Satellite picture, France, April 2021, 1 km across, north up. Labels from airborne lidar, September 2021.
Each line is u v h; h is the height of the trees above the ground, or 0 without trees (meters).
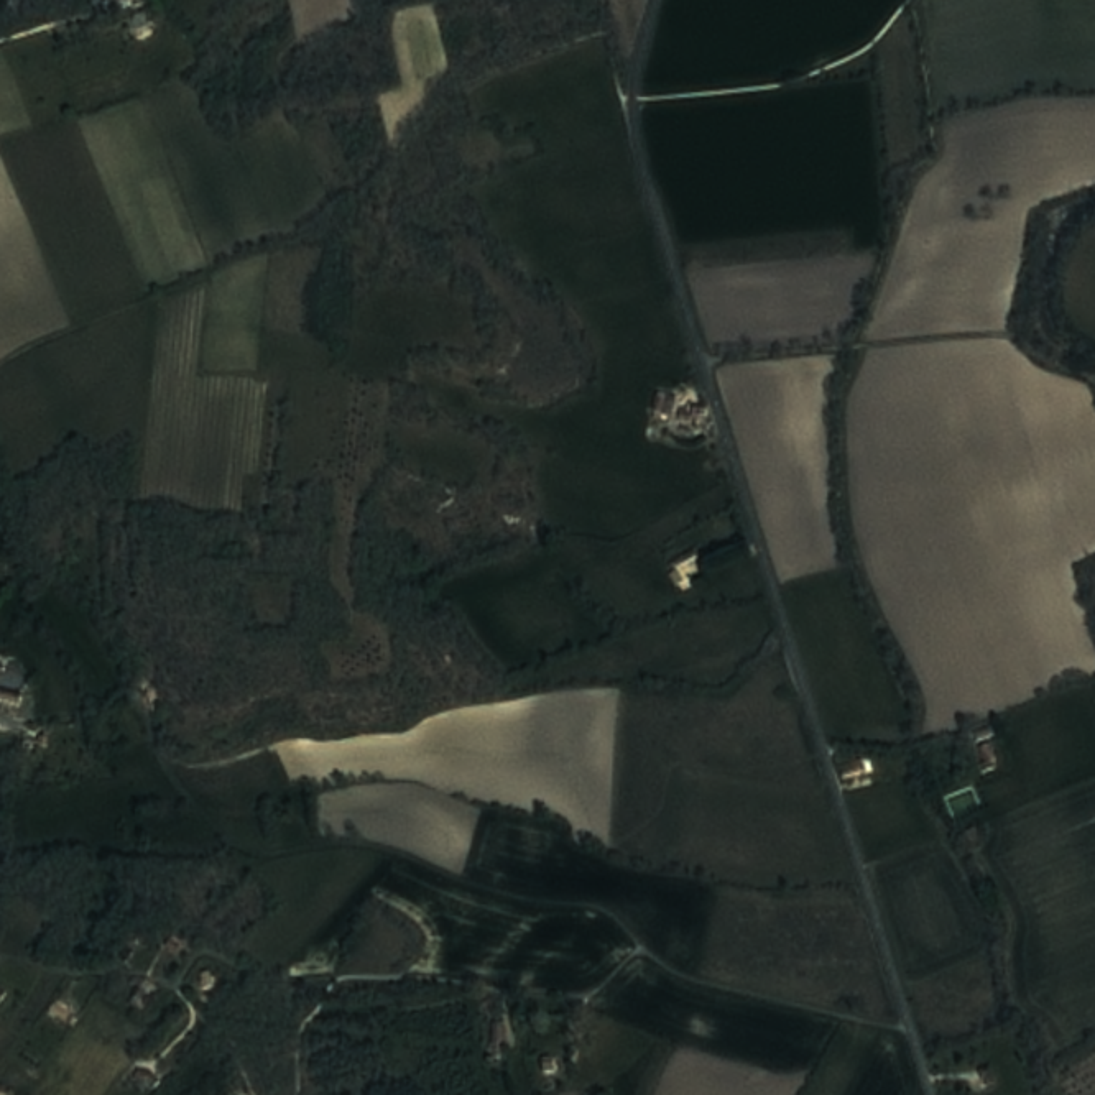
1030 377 0
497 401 16
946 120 11
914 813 0
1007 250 0
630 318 0
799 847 0
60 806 0
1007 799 0
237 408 0
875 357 0
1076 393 0
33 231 0
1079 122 0
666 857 0
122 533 8
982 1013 0
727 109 0
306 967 0
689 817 0
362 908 11
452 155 16
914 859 0
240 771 0
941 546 0
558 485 0
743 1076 0
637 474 0
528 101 0
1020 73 0
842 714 0
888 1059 0
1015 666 0
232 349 0
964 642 0
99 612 12
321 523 14
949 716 0
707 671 0
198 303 0
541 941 0
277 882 0
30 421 0
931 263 0
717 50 0
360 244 7
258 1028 15
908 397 0
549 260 0
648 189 0
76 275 0
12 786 20
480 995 21
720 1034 0
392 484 12
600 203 0
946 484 0
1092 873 0
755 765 0
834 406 9
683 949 0
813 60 0
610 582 0
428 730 0
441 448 0
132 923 13
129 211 0
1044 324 6
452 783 0
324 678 10
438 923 0
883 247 12
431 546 10
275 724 7
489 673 13
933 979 0
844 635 0
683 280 0
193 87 16
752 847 0
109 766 7
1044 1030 18
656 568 0
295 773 0
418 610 18
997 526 0
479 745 0
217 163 0
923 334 0
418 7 11
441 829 0
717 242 0
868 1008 0
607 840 0
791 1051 0
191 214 0
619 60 14
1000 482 0
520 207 0
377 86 13
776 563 0
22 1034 0
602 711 0
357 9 15
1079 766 0
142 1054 14
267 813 15
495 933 0
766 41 0
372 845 0
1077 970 0
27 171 0
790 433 0
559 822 6
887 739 0
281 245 13
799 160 0
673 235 0
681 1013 0
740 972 0
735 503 8
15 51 0
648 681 13
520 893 0
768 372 0
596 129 0
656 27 0
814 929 0
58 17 13
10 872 18
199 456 0
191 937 10
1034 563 0
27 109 0
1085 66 0
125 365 0
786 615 0
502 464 11
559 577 0
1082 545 0
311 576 15
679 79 0
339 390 0
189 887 13
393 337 0
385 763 0
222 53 13
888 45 0
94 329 0
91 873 12
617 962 0
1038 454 0
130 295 0
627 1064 0
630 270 0
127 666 16
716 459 13
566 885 0
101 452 12
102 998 8
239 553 8
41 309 0
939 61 0
